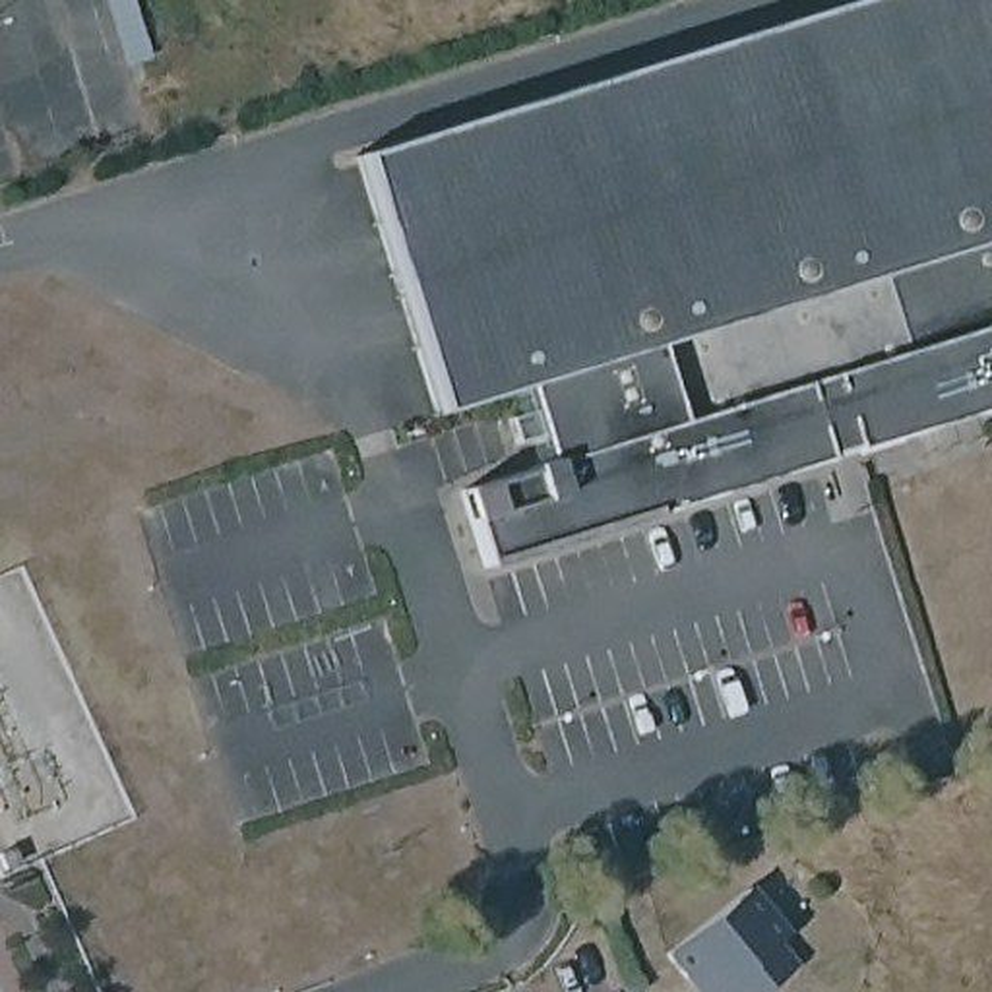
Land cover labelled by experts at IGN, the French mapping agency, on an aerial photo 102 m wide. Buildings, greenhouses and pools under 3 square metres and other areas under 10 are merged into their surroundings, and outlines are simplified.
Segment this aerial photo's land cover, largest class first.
<instances>
[{"label":"impervious surface","instance_id":"1","mask_svg":"<svg viewBox=\"0 0 992 992\"><path fill-rule=\"evenodd\" d=\"M155 0H0V186H16L19 174L47 171L54 155H70L78 147L97 151L109 143L124 151L143 136L128 105V66L147 62L151 50L163 47V39L151 12ZM667 16L597 31L446 81L434 85L384 97L349 112H333L155 174H136L124 182L116 178H112L109 186L85 190L78 198H54L50 205L0 217V275L62 267L81 287L105 298L132 302L151 326L213 353L217 360L248 376H260L267 388L295 403H310V411L322 422H333L337 430H349L360 446V492H337V453L326 450L318 457L279 465V477L221 488L159 512L140 519V535L155 570V589L167 601L186 659L221 647L233 636H260L267 624H291L314 612L341 608L345 601H360L368 593L364 554H384L391 562L395 597L411 612V659L391 663V620H364L326 636V643H314L306 651L225 670L221 678L194 686L205 725V752H217L225 760V802L244 822L310 798H326L329 791H349L357 783L422 767L430 752L419 748L415 725L426 721H434L442 736L453 740L457 767L465 783V810L473 814L481 833V853L465 872L453 876V891L488 922V957L473 965L426 957L376 965L364 977L314 992H500L508 988L504 977L519 961H527L531 949L543 942L550 915L543 907L539 872L550 856L554 833L589 837L601 853L605 872L624 884V891H647L651 880V837L659 833V822L670 814H698V822L717 841L721 856L740 864L763 853V833L756 806L787 775L825 771L833 779L829 825L841 829L849 818H856L860 802V771L876 756H895L911 763L922 775L926 798L938 794L942 783L953 775V756L969 732L961 717L938 721V690L907 608V593L884 535V519L868 492V457L841 465L829 481L787 484L783 492L752 500V512L736 523L717 527L713 512H698L694 519H682L667 531L651 527L647 539H620L601 550L523 570L519 577H500L496 570H484L477 558L473 531L465 527L457 508V488L500 484L512 473L543 465L535 446H523L515 453L500 438V430H465L457 438L426 446V430L419 422L434 411L407 326V310L380 244L376 213L357 171L360 159L380 147L461 120H477L562 89H577L760 27H775L841 0H667ZM512 682H519L523 698H531L535 740H543L539 756L546 760V767H539L535 775H523L508 736L504 694ZM984 438L980 426L977 434H957L934 446H907L872 457L880 473H887L891 481L938 469L942 457H949L953 450L961 457H973L977 442ZM136 806L116 775V763L101 740V729L89 713V701L78 686V674L58 643V632L39 601L27 566L0 577V992H23L19 973L8 938L39 930V918L35 907L12 899L8 872L39 868L47 884L54 880V856H66L74 845H85L120 825H132Z\"/></svg>","mask_w":992,"mask_h":992},{"label":"building","instance_id":"2","mask_svg":"<svg viewBox=\"0 0 992 992\"><path fill-rule=\"evenodd\" d=\"M357 171L376 213L380 244L407 310V326L434 411L453 415V403H473L484 395L531 399L535 411H523L519 419H500V438L515 453L523 446H535L543 465L512 473L500 484L457 488V508L465 527L473 531L477 558L484 570H496L500 577H519L523 570L601 550L620 539H647L651 527L667 531L682 519H694L698 512H713L717 527L736 523L752 512V500L783 492L787 484L829 481L841 465L868 457H872L907 446H934L957 434H977L980 426L984 438L992 442V0H841L775 27H760L577 89H562L477 120H461L380 147L360 159ZM810 922V907H802L794 884L783 872H771L744 895V903L729 918H721L701 938L682 946L678 961L690 969L698 992H775L798 965L810 961V942L802 938V926Z\"/></svg>","mask_w":992,"mask_h":992},{"label":"herbaceous vegetation","instance_id":"3","mask_svg":"<svg viewBox=\"0 0 992 992\"><path fill-rule=\"evenodd\" d=\"M539 0H209L202 8L205 27L198 35L171 31L163 39V47L151 50L147 62L128 66V105L143 136H163L186 120H209L221 128L217 143L202 147L198 155L143 163L116 178L124 182L136 174H155L333 112H349L384 97L434 85L430 78H415L384 93L333 101L295 120L248 132L240 128L244 101L291 89L306 66H368L438 39L508 23L515 16H539ZM667 0H636L628 12L608 16L605 23L558 31L539 43L446 70V81L597 31L667 16ZM112 178H97L85 167L62 190L19 205H4V186H0V217L50 205L54 198H78L85 190L109 186ZM337 430L333 422H322L310 411V403H295L267 388L260 376H248L217 360L213 353L151 326L132 302L105 298L81 287L62 267L0 275V577L27 566L39 601L58 632V643L78 674V686L89 701V713L101 729V740L116 763V775L136 806L132 825H120L85 845H74L66 856H54V880L47 884L50 903L70 915V930L78 934V961L93 965L101 992H314L364 977L376 965L426 957L422 942L430 934L415 930V918H422L426 903L446 899L453 891V876L465 872L481 853V833L473 814L465 810V783L457 767L438 779L368 798L360 806L275 829L260 841H244V822L225 802V760L217 752H205V725L194 686L186 659L167 601L155 589V570L140 535V519L159 512V504H147L151 484L190 477L229 457ZM891 496L903 519V535L911 546L915 577L926 597L949 690L957 713H973V729L992 732V442L984 438L977 442L973 457H961L953 450L949 457H942L938 469L891 481ZM884 810H868L860 802L856 818H849L841 829L829 825L798 829L771 822L763 833V853L740 864L732 872V887H717L709 880L694 887H682L674 880H651L647 891H624L620 930L632 946L643 980H651L647 992H698L690 969L678 961L682 946L701 938L721 918H729L744 903V895L771 872H783L794 884L802 907H810V922L802 926V938L810 942V961L798 965L775 992H992V767L961 779L953 775L942 783L938 794L926 798L915 814H907L899 829L880 825ZM601 934L589 926H570V918L558 911L550 915L543 942L531 949L527 961H519L504 977L508 988L500 992H605V957L593 946Z\"/></svg>","mask_w":992,"mask_h":992},{"label":"deciduous trees","instance_id":"4","mask_svg":"<svg viewBox=\"0 0 992 992\"><path fill-rule=\"evenodd\" d=\"M539 16H515L508 23L438 39L368 66H306L291 89L244 101L240 128L248 132L295 120L333 101L384 93L415 78H430L434 85L446 81V70L539 43L558 31L605 23L608 16L628 12L636 0H539ZM221 128L209 120H186L163 136H143L124 151L109 143L97 151L78 147L70 155H54L47 171L19 174L16 186H4V205H19L62 190L85 167L97 178H116L143 163L198 155L202 147L217 143ZM992 767V732L973 729L969 732L953 756V775L961 779ZM860 802L868 810H884L880 825L899 829L907 814H915L926 798L922 775L911 763L895 756H876L860 771ZM833 779L825 771L787 775L756 806L763 833L771 822L798 829L829 825ZM740 864L721 856L717 841L698 822V814H670L659 822V833L651 837V880H674L682 887H694L709 880L717 887H732V872ZM543 907L550 915L558 911L570 918V926H589L601 934L593 946L605 957V992H647L651 980H643L632 946L620 930L624 891V884L605 872L601 853L589 837L554 833L550 856L539 872ZM415 930L430 934L422 942L426 957L473 965L488 957V922L453 891L446 899L426 903L422 918H415ZM47 957L19 973L23 992H101L93 965L78 961V934L70 930L43 922Z\"/></svg>","mask_w":992,"mask_h":992},{"label":"brushwood","instance_id":"5","mask_svg":"<svg viewBox=\"0 0 992 992\"><path fill-rule=\"evenodd\" d=\"M209 0H155L151 12L163 39L171 31L198 35L205 27L202 8ZM523 411H535L531 399L484 395L473 403H453V415L434 411L419 422L426 430V446L457 438L465 430H500V419H519ZM326 450L337 453V492H360V446L349 430H337L229 457L190 477L151 484L147 504H159V512L221 488L279 477V465L318 457ZM868 492L884 519V535L907 593V608L938 690V721L961 717L969 732L973 729V713H957L949 690L926 597L915 577L911 546L903 535V519L891 496V481L887 473H880L872 457H868ZM368 593L360 601H345L341 608L314 612L291 624H267L260 636H233L221 647L186 659L194 686L221 678L225 670L306 651L314 643H326V636L364 620H391V663L411 659V612L395 597L391 562L384 554H364ZM508 736L523 775H535L539 767H546V760L539 756L543 740H535L531 698H523L519 682H512L504 694ZM419 748L430 752L422 767L357 783L349 791H329L326 798H310L244 822V841H260L275 829L360 806L368 798L438 779L457 767L453 740L442 736L434 721H426L415 725ZM12 899L35 907L39 918V930L8 938L19 973L47 957L43 922L70 930V915L50 903L47 884L39 868L8 872Z\"/></svg>","mask_w":992,"mask_h":992}]
</instances>
